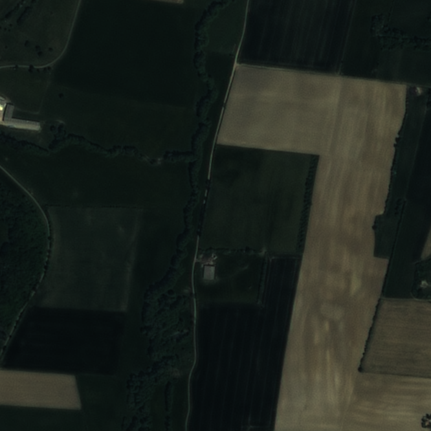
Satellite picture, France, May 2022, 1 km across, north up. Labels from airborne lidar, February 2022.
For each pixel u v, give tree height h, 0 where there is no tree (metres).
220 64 0
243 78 0
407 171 0
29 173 0
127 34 0
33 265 8
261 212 0
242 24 0
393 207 0
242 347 0
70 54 0
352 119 0
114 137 0
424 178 0
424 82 0
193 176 19
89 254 0
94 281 0
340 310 0
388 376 0
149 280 0
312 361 0
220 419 0
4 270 6
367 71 0
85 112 0
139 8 0
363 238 0
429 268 0
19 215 12
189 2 0
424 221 0
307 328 0
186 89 0
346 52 0
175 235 0
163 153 0
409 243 0
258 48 0
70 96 0
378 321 0
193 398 0
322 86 0
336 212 0
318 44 0
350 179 0
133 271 0
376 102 0
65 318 0
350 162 0
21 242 12
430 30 0
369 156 0
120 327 0
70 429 0
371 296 0
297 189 0
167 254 0
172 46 0
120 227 0
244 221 0
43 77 0
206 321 0
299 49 0
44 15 0
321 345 0
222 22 0
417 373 0
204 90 0
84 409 0
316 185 0
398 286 0
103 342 0
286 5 0
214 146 0
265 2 0
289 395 0
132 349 0
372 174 0
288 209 0
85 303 0
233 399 0
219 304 0
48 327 0
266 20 0
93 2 0
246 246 0
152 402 0
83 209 0
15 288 9
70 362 0
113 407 0
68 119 0
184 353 0
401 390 0
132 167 0
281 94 0
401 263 0
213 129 0
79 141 22
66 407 0
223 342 0
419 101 0
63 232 0
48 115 0
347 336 0
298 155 0
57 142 19
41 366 0
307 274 0
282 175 0
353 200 0
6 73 0
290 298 0
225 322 0
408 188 0
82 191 0
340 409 0
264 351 0
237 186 0
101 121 0
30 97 0
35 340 0
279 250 0
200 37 19
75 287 0
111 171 0
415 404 0
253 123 0
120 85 0
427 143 0
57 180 0
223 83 0
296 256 0
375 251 0
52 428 0
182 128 0
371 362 0
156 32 0
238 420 0
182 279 0
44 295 0
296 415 0
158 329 23
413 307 0
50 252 12
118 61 0
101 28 0
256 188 0
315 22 0
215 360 0
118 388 0
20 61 0
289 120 0
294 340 0
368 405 0
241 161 0
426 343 0
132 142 0
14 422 0
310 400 0
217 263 0
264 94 0
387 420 0
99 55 0
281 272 0
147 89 0
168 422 18
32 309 0
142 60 0
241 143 0
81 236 0
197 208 0
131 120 0
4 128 0
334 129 0
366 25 0
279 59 0
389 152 0
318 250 0
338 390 0
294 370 0
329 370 0
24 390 0
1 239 0
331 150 0
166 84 0
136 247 0
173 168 0
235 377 0
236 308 0
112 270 0
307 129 0
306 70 0
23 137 0
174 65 0
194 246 0
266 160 0
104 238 0
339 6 0
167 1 0
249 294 0
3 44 0
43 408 0
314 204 0
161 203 0
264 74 0
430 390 0
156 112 0
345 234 0
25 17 10
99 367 0
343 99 0
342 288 0
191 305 0
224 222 0
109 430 0
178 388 0
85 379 0
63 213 0
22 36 0
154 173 0
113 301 0
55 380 0
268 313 0
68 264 0
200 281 0
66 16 0
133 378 14
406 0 0
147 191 0
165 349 16
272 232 0
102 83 0
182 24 0
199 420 0
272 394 0
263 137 0
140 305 0
